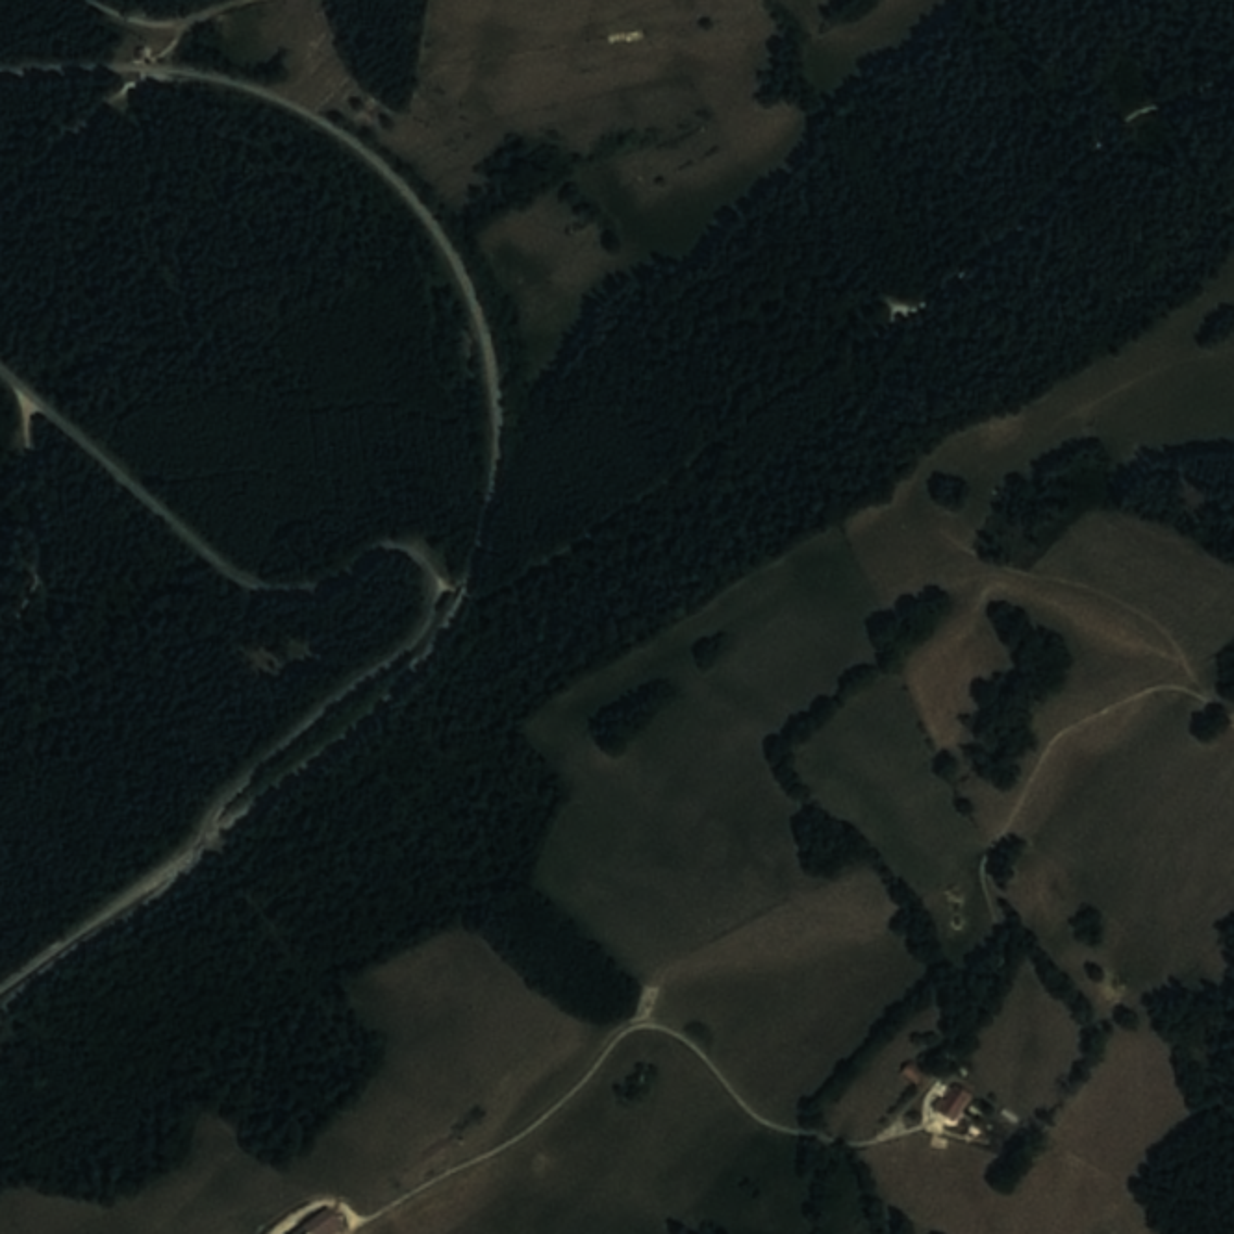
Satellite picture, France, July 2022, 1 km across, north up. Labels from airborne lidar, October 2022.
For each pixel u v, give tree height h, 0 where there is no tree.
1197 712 0
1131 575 0
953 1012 20
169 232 25
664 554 14
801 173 19
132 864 7
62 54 20
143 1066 12
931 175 23
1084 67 25
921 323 18
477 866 14
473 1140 0
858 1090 0
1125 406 0
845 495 10
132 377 29
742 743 0
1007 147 30
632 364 20
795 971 0
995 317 22
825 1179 24
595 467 15
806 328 13
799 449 9
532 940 17
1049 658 25
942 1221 0
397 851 6
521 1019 0
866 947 0
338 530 16
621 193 0
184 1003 11
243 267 19
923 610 24
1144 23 32
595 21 0
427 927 20
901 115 26
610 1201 0
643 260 0
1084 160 28
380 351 13
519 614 9
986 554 14
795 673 0
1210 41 32
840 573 0
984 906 0
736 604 0
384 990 0
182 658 25
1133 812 0
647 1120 0
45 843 31
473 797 11
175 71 0
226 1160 0
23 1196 0
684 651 0
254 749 22
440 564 0
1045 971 21
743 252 17
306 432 16
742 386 6
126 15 10
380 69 23
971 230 21
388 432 18
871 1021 0
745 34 0
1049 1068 0
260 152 21
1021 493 23
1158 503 32
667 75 0
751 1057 0
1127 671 0
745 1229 0
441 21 0
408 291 12
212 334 25
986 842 0
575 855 0
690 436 18
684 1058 0
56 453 28
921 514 0
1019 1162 24
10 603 20
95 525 29
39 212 29
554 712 0
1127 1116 0
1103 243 18
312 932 14
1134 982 0
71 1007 6
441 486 19
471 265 12
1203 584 0
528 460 15
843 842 22
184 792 25
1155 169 31
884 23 0
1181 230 17
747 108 0
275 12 0
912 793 0
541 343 0
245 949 8
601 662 12
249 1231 0
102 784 30
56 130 29
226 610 26
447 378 15
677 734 0
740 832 0
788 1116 0
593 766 0
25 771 23
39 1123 16
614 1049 0
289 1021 16
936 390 9
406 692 21
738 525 19
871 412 11
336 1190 0
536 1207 0
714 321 17
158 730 26
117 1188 23
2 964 17
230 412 16
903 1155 0
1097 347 10
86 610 23
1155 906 0
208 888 9
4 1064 8
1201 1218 24
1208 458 25
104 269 22
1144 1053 0
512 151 12
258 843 10
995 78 32
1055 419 0
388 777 10
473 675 8
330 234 29
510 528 20
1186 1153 23
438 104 0
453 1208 0
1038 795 0
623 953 0
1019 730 19
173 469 16
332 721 7
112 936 13
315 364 15
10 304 27
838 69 0
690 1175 0
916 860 0
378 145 7
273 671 0
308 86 0
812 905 0
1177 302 19
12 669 23
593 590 12
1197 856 0
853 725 0
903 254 16
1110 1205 0
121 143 26
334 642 30
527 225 0
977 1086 0
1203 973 0
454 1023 0
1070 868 0
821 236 17
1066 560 0
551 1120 0
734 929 0
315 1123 13
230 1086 20
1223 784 0
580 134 0
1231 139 18
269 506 15
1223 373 0
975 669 0
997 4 10
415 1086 0
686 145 0
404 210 8
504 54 0
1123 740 0
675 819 0
